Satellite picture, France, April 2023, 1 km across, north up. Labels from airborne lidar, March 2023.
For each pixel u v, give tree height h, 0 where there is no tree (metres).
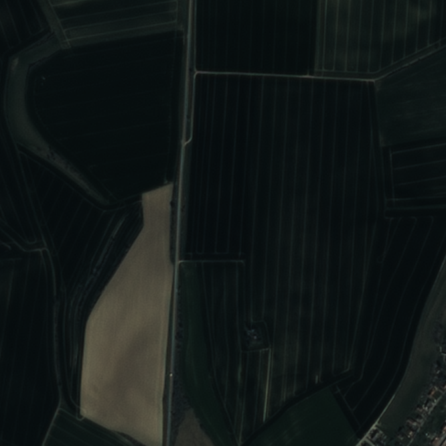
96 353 0
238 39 0
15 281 0
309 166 0
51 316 0
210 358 0
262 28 0
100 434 0
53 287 0
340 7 0
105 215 0
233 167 0
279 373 0
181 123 0
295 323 0
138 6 0
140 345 0
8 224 0
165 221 0
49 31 0
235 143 0
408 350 0
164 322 0
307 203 0
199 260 0
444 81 0
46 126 0
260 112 0
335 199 0
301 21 0
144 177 0
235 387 0
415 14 0
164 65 0
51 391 0
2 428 0
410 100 0
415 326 0
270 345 0
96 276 11
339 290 0
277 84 0
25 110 0
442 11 0
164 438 0
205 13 0
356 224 0
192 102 0
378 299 0
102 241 0
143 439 0
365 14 0
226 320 0
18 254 0
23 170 0
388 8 0
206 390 0
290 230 0
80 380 0
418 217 0
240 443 0
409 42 0
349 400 0
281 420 0
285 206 0
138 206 0
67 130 0
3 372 0
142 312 0
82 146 0
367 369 0
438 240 0
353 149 0
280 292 0
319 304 0
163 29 0
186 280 0
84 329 0
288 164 0
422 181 0
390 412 0
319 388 0
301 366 0
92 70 0
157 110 0
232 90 0
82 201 0
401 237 0
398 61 0
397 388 0
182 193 0
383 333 0
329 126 0
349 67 0
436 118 0
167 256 0
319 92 0
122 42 0
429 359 0
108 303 0
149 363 0
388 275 0
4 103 0
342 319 0
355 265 0
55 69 0
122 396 0
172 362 0
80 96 0
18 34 0
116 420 0
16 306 0
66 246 0
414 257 0
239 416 0
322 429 0
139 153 0
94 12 0
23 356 0
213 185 0
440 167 0
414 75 0
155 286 0
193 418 0
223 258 0
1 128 0
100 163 0
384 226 0
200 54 0
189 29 0
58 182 0
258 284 0
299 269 0
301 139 0
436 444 0
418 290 0
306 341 0
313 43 0
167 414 0
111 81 0
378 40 0
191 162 0
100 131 0
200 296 0
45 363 0
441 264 0
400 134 0
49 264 0
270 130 0
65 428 0
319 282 0
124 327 0
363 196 0
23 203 0
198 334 0
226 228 0
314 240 0
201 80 0
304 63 0
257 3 0
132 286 0
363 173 0
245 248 0
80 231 0
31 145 0
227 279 0
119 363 0
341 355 0
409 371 0
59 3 0
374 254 0
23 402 0
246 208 0
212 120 0
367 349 0
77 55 0
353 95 0
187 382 0
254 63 0
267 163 0
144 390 0
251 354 0
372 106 0
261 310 0
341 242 0
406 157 0
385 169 0
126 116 0
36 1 0
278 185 0
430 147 0
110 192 0
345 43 0
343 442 0
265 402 0
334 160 0
